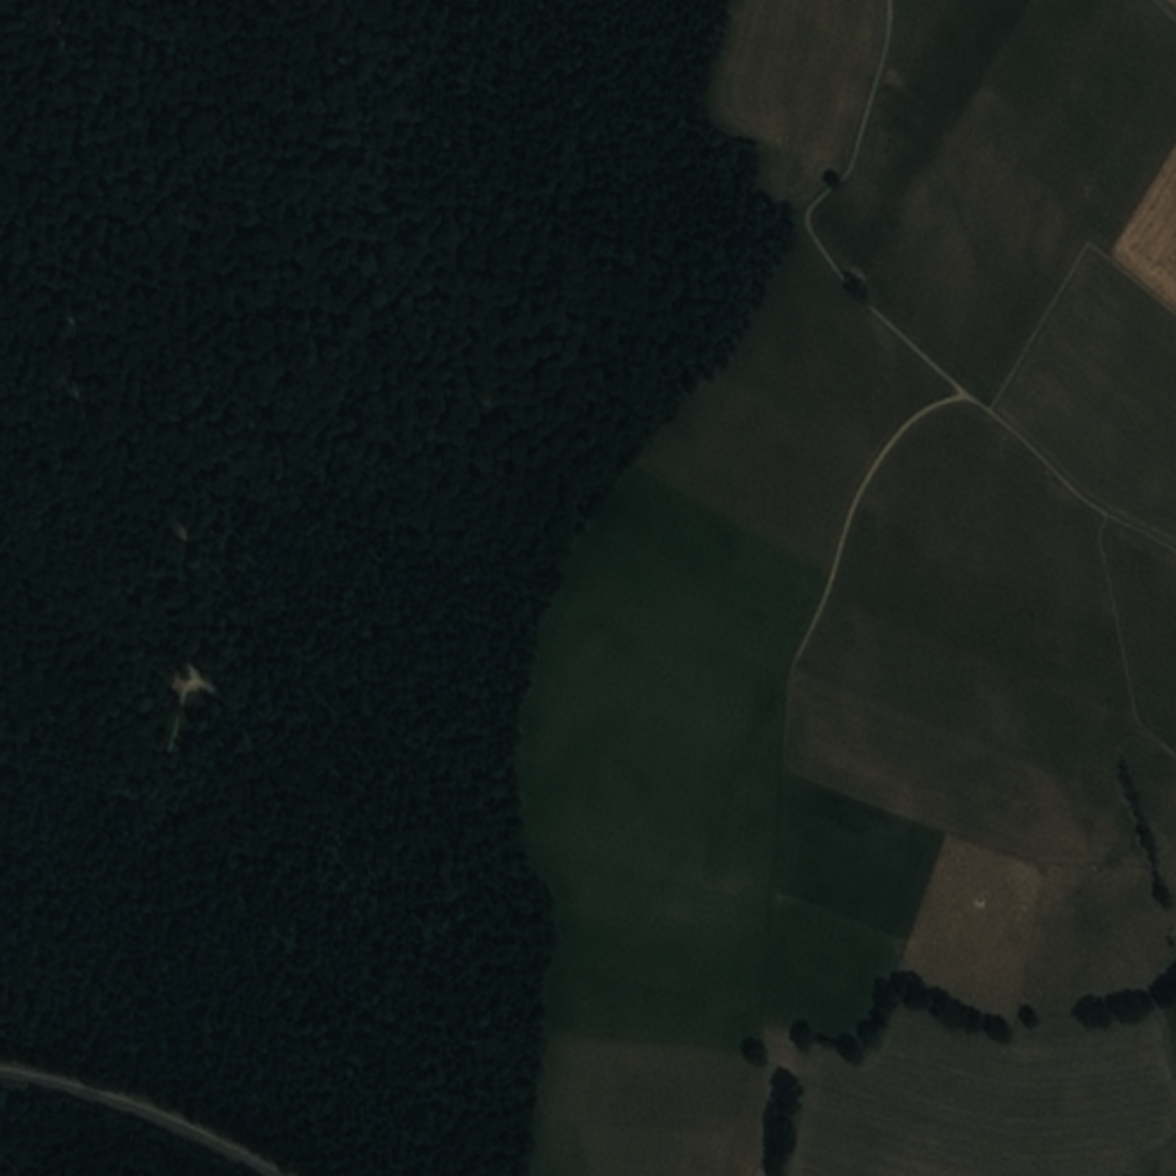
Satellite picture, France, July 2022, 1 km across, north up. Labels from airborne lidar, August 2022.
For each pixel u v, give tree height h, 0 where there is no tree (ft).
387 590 51
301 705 54
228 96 88
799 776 0
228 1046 68
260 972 52
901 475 0
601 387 84
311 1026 56
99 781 81
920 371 0
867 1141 0
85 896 60
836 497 0
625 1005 0
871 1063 0
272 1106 37
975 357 0
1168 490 0
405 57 108
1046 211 0
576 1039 0
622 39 34
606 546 0
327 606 67
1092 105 0
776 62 0
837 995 0
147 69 93
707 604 0
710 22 73
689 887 0
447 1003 26
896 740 0
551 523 67
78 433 92
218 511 85
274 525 68
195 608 83
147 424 85
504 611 75
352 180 86
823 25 0
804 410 0
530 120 43
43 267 95
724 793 0
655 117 68
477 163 36
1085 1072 0
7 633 76
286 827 60
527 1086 62
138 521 87
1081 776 0
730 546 0
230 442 87
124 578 92
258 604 66
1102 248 0
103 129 90
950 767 0
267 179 92
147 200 100
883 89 0
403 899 47
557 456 80
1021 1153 0
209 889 53
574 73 54
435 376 98
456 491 93
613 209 34
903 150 0
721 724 0
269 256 99
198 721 81
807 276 0
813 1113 0
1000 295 0
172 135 102
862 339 0
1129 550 0
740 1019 0
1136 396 0
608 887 0
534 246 78
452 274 98
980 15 0
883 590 0
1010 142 0
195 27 95
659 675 0
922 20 0
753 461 0
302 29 96
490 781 77
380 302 109
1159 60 0
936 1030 0
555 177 51
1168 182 0
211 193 105
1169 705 0
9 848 47
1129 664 0
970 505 0
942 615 0
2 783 64
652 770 0
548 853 0
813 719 0
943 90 0
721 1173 0
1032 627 0
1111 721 0
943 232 0
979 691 0
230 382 102
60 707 87
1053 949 0
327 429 90
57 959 63
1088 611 0
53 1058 52
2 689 81
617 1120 0
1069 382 0
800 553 0
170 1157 49
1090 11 0
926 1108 0
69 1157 41
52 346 101
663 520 0
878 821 0
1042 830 0
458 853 52
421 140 58
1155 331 0
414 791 73
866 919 0
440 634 40
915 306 0
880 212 0
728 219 60
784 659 0
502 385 108
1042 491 0
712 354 91
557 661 0
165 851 59
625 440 61
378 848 45
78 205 82
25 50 83
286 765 53
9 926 83
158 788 82
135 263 92
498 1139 52
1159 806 0
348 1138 28
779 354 0
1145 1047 0
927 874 0
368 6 103
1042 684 0
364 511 60
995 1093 0
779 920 0
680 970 0
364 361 103
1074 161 0
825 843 0
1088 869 0
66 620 90
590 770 0
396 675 52
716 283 77
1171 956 0
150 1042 63
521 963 36
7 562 86
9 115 80
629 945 0
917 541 0
